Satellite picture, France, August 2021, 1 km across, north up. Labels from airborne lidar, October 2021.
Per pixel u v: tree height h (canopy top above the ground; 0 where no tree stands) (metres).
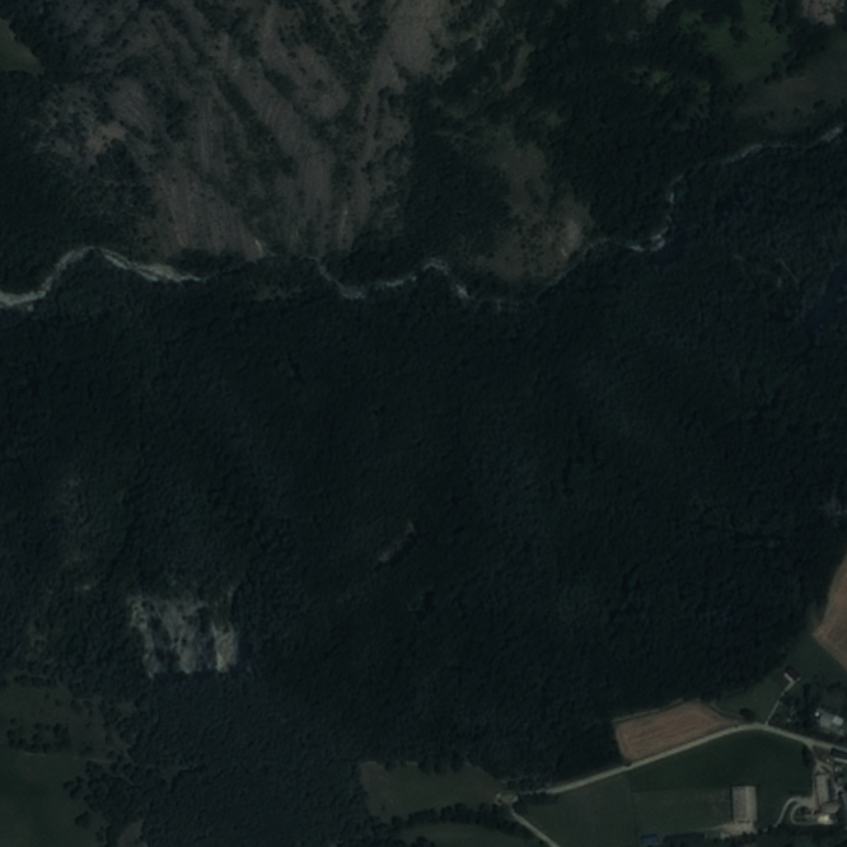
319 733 14
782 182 22
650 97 11
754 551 23
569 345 27
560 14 6
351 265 13
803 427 25
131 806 15
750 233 16
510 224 10
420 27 0
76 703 8
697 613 11
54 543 15
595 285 21
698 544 22
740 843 6
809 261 10
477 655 32
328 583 24
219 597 15
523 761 13
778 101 0
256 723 19
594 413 23
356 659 15
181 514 16
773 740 0
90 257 8
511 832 12
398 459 19
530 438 21
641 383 25
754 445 28
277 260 17
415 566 36
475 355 26
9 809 0
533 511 11
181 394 19
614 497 26
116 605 14
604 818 0
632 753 0
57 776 0
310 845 17
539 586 24
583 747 10
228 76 7
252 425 15
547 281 7
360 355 18
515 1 10
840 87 0
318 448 30
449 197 14
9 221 16
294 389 30
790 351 34
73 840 0
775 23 16
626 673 25
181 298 18
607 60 28
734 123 23
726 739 0
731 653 26
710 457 21
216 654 0
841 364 28
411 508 23
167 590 14
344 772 16
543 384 30
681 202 7
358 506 18
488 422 18
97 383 25
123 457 26
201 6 10
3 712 0
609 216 20
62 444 22
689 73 17
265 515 23
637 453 21
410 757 9
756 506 32
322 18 6
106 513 16
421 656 29
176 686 14
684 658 28
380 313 22
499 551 23
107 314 10
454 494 31
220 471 29
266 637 13
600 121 6
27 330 25
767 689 0
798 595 22
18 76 11
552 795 9
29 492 29
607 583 13
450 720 15
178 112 6
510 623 30
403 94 7
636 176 6
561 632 17
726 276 24
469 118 10
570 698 19
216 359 24
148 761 11
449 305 22
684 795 0
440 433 26
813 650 0
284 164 7
